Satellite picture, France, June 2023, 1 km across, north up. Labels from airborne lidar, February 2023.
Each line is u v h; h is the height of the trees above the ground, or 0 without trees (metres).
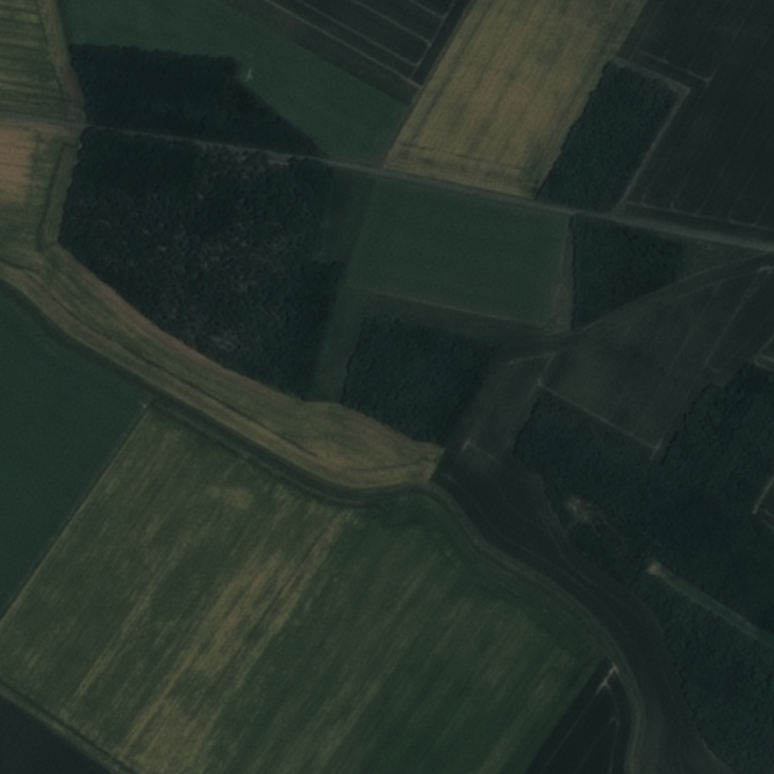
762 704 14
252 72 0
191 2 0
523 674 0
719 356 0
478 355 13
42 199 0
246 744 0
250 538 0
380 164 0
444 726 0
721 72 0
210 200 15
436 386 17
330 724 0
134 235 14
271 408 0
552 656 0
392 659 0
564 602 0
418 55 0
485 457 0
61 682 0
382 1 0
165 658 0
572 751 0
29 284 0
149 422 0
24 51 0
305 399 10
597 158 15
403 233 0
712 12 0
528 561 0
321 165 16
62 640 0
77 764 0
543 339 0
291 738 0
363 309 0
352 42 0
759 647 20
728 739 16
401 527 0
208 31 0
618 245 13
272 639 0
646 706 0
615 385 0
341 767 0
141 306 11
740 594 12
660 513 15
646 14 0
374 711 0
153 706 0
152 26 0
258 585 0
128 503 0
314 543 0
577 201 13
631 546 0
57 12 0
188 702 0
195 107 15
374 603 0
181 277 17
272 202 15
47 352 0
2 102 0
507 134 0
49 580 0
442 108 0
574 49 0
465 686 0
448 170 0
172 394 0
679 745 0
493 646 0
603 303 12
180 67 12
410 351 9
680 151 0
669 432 0
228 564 0
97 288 0
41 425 0
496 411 0
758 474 12
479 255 0
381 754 0
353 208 0
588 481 16
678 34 0
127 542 0
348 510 0
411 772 0
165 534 0
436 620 0
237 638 0
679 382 0
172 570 0
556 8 0
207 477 0
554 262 0
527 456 14
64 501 0
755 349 0
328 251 0
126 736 0
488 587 0
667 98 13
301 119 0
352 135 0
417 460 0
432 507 0
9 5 0
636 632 0
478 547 0
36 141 0
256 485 0
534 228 0
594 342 0
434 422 16
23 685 0
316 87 0
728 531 14
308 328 17
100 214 16
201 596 0
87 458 0
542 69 0
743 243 0
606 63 0
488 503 0
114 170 15
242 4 0
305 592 0
